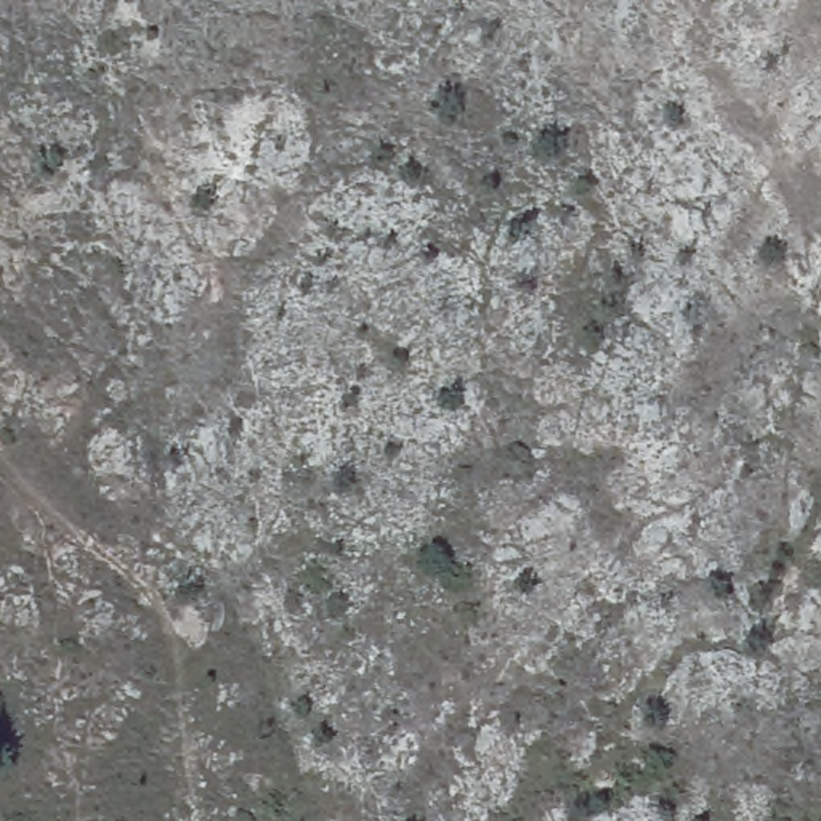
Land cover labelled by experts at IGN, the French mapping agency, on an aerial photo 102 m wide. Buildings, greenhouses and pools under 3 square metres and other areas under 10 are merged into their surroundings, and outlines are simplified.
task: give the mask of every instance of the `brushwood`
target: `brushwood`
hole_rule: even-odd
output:
[[[776,548],[770,577],[750,590],[754,609],[766,609],[773,603],[783,574],[792,564],[795,552],[789,542],[783,542]]]
[[[42,144],[32,164],[42,167],[45,176],[55,176],[64,167],[64,144]]]
[[[504,808],[491,811],[487,821],[590,821],[593,815],[606,815],[613,808],[629,805],[635,795],[645,795],[654,805],[661,799],[673,799],[677,805],[683,805],[690,799],[690,783],[696,770],[693,760],[683,760],[680,754],[648,754],[645,741],[625,738],[613,750],[593,750],[587,766],[577,770],[564,747],[552,744],[548,738],[539,738],[536,744],[529,744],[523,757],[513,799]]]
[[[629,308],[632,279],[616,263],[613,279],[603,292],[603,308],[622,314]]]
[[[564,138],[545,138],[542,131],[539,131],[539,135],[536,135],[536,144],[532,144],[532,157],[539,157],[539,160],[548,160],[548,157],[555,157],[555,154],[561,154],[561,151],[568,151],[568,141],[564,141]]]
[[[462,80],[449,80],[430,99],[430,106],[443,122],[455,125],[465,109],[465,87]]]
[[[436,401],[446,411],[459,411],[465,401],[465,385],[452,378],[439,388]]]
[[[574,334],[558,321],[555,311],[545,317],[545,327],[532,343],[532,366],[545,369],[568,362],[574,369],[590,369],[593,353],[603,340],[603,324],[590,321],[580,334]]]
[[[404,555],[404,564],[417,568],[420,574],[439,577],[439,584],[449,593],[455,587],[465,587],[478,574],[471,564],[462,564],[459,558],[446,561],[433,539],[423,539],[417,552]]]

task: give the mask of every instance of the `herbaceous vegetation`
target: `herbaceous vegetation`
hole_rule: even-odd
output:
[[[42,760],[55,744],[55,731],[51,725],[32,725],[32,718],[22,715],[13,722],[19,734],[19,760],[0,766],[0,821],[164,821],[164,811],[173,808],[176,789],[186,776],[183,741],[160,741],[160,728],[170,725],[170,718],[160,712],[131,712],[119,725],[115,741],[109,741],[90,763],[90,783],[96,783],[93,792],[48,786]]]

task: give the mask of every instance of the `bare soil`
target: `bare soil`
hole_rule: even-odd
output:
[[[465,87],[465,109],[455,125],[443,122],[430,106],[430,99],[449,80],[462,80]],[[539,160],[539,157],[532,157],[532,144],[536,144],[536,135],[539,135],[539,131],[542,131],[545,138],[564,138],[564,141],[568,141],[568,151],[561,151],[561,154],[555,154],[555,157],[548,157],[548,160]],[[42,144],[64,144],[64,167],[55,176],[45,176],[42,167],[32,164]],[[603,308],[603,292],[613,279],[616,263],[632,279],[629,308],[622,314]],[[568,362],[545,369],[532,366],[532,343],[545,327],[545,317],[555,311],[558,321],[574,334],[580,334],[590,321],[603,324],[603,340],[593,353],[590,369],[574,369]],[[452,378],[465,385],[465,401],[459,411],[446,411],[436,401],[439,388]],[[417,568],[404,564],[404,555],[417,552],[423,539],[433,539],[446,561],[459,558],[462,564],[471,564],[478,574],[465,587],[455,587],[449,593],[439,584],[439,577],[420,574]],[[766,609],[754,609],[750,590],[770,577],[776,548],[783,542],[789,542],[795,552],[792,564],[783,574],[773,603]],[[504,808],[513,799],[523,757],[529,744],[536,744],[539,738],[548,738],[552,744],[564,747],[577,770],[587,766],[593,750],[613,750],[625,738],[645,741],[648,754],[680,754],[683,760],[693,760],[696,770],[690,783],[690,799],[683,805],[677,805],[673,799],[661,799],[654,805],[645,795],[635,795],[629,805],[613,808],[606,815],[593,815],[590,821],[821,821],[821,0],[0,0],[0,766],[19,760],[19,734],[13,722],[22,715],[32,718],[32,725],[51,725],[55,731],[55,744],[42,760],[48,786],[93,792],[96,783],[90,783],[90,763],[109,741],[115,741],[119,725],[131,712],[160,712],[170,718],[170,725],[160,728],[160,741],[183,741],[186,776],[176,789],[173,808],[164,811],[164,821],[487,821],[491,811]]]

